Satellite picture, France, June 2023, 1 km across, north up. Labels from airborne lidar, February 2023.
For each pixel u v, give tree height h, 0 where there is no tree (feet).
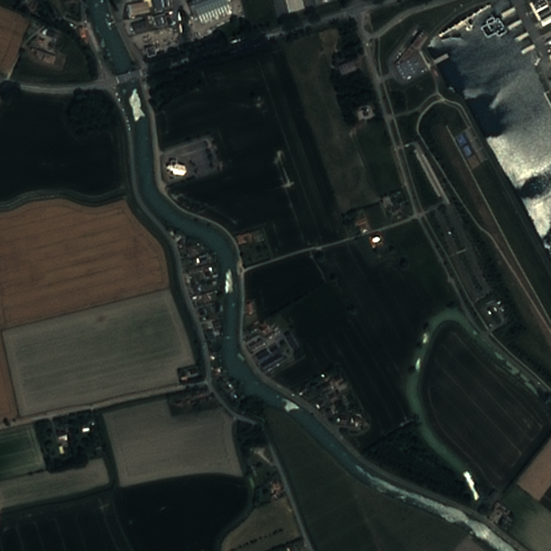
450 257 0
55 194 0
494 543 0
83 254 0
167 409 0
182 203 0
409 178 0
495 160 0
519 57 0
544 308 0
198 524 0
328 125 0
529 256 0
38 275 0
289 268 0
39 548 0
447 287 0
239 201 0
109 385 0
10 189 0
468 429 0
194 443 0
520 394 0
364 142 0
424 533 0
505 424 0
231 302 0
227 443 0
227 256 0
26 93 0
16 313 0
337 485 0
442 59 0
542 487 0
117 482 0
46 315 0
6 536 0
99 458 0
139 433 0
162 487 0
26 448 0
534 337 0
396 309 0
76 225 0
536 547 0
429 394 0
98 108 54
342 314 0
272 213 0
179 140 0
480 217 0
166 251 0
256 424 0
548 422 0
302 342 0
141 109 0
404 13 0
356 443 0
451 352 0
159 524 0
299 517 0
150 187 0
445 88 0
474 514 0
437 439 0
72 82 0
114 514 0
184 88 54
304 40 0
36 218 0
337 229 0
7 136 0
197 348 0
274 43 46
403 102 20
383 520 0
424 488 0
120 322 0
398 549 0
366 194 0
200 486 0
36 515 0
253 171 0
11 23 0
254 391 0
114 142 0
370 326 0
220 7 0
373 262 0
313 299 0
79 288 0
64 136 0
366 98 27
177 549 0
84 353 0
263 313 0
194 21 0
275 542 0
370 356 0
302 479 0
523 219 0
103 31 0
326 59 0
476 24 0
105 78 0
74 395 0
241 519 0
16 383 0
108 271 0
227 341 0
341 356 0
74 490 0
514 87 0
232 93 0
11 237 0
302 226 0
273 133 0
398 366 0
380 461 30
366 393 0
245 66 0
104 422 0
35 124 0
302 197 0
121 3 0
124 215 0
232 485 0
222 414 0
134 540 0
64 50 0
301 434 0
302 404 0
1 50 0
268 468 0
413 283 0
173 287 0
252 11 0
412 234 0
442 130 0
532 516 0
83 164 0
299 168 0
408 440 51
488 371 0
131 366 0
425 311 0
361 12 0
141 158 0
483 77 0
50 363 0
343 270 0
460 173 0
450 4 0
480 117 0
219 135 0
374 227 0
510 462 0
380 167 0
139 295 0
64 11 0
